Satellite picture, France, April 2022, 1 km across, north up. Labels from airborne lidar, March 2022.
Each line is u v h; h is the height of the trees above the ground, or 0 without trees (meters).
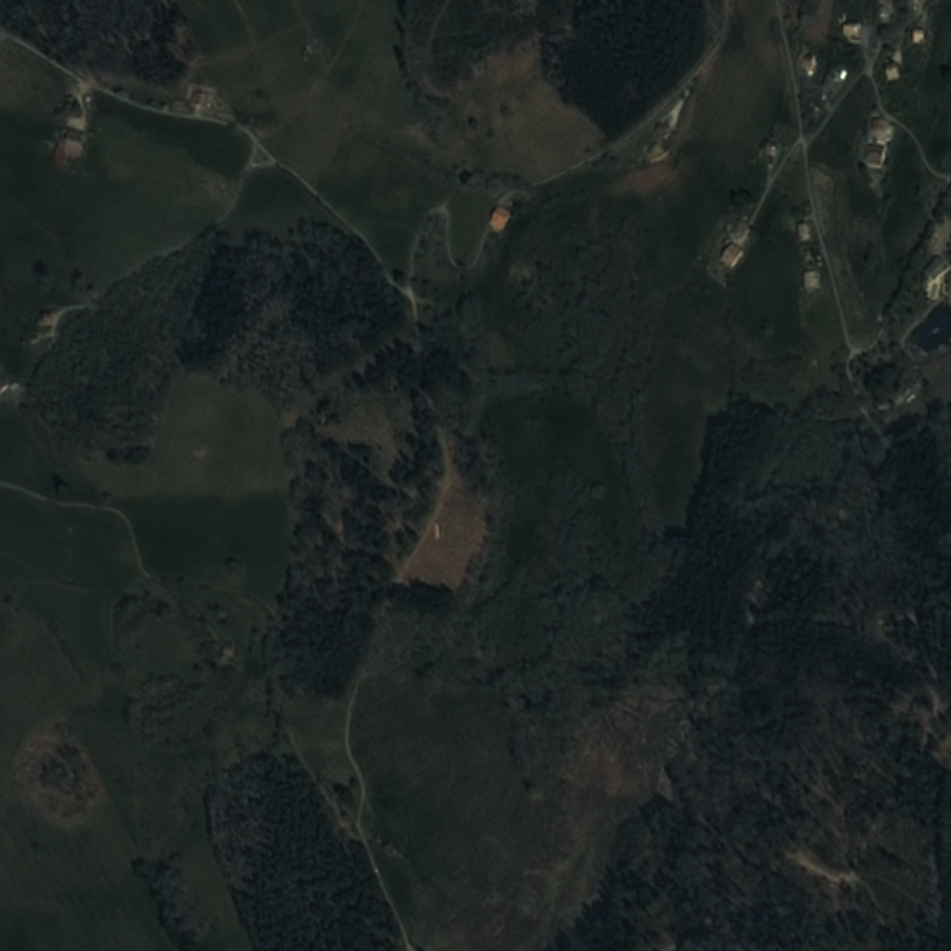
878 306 0
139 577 0
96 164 0
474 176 8
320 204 10
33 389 8
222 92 0
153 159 0
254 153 0
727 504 23
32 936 0
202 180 0
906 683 14
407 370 24
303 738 0
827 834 14
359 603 25
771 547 11
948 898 19
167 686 10
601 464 0
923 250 10
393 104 0
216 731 15
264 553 0
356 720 0
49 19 12
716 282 0
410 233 0
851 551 20
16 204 0
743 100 0
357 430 0
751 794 13
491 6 0
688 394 0
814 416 24
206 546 0
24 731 0
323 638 26
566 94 15
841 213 0
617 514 0
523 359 0
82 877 0
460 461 30
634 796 0
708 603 23
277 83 0
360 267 26
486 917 0
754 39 0
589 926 0
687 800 14
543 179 0
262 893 23
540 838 0
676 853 8
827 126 0
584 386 19
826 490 16
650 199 0
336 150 0
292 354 25
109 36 24
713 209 0
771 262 0
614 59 33
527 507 0
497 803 0
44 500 0
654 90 32
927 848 28
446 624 21
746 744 12
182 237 0
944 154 0
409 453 0
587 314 18
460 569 0
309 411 0
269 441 0
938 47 0
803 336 0
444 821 0
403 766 0
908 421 0
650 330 7
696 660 19
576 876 0
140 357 11
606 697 31
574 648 20
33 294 0
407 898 0
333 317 30
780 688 15
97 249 0
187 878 15
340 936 21
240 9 0
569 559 14
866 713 12
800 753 19
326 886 22
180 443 0
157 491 0
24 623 0
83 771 27
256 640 13
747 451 36
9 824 0
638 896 21
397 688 0
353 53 0
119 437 10
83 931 0
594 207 0
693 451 0
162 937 0
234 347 15
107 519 0
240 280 13
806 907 9
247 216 0
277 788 30
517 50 12
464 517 0
